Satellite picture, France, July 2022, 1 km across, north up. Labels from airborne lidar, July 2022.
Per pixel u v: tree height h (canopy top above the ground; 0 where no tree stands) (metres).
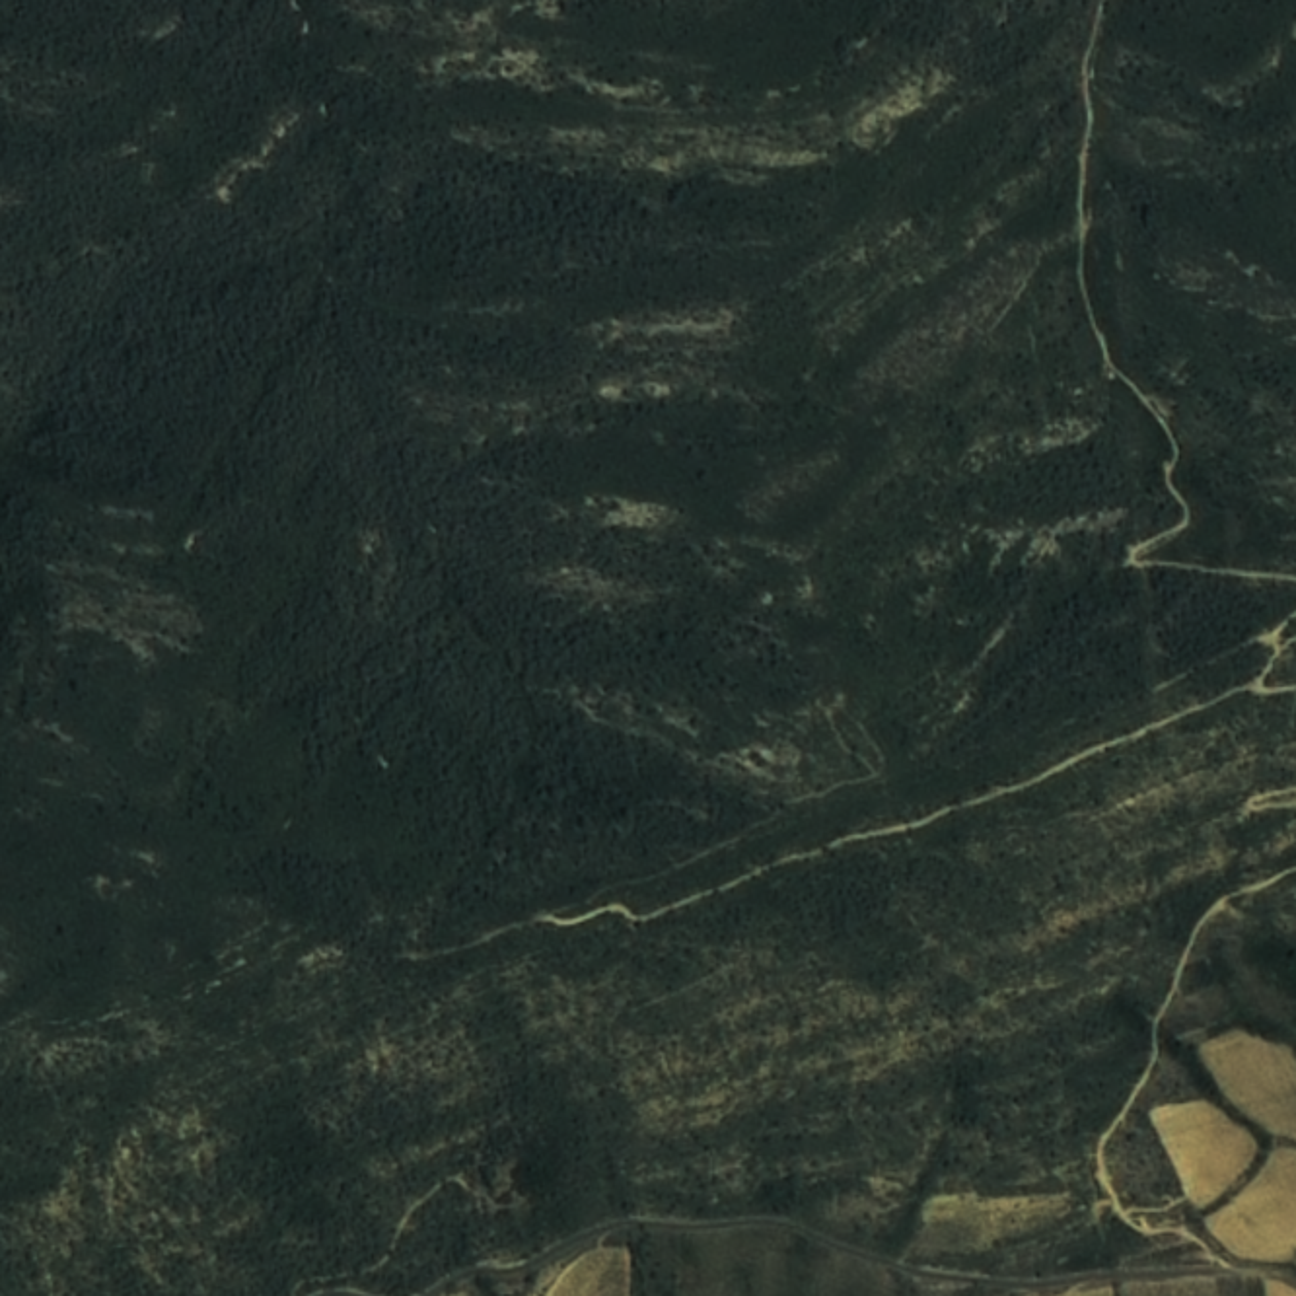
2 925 0
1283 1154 0
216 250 10
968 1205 0
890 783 0
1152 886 0
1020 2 10
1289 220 0
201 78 6
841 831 7
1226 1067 0
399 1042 7
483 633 9
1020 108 7
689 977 0
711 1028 0
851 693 0
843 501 0
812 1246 0
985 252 0
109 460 8
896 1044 0
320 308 13
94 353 10
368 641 8
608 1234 0
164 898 0
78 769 0
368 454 8
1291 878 0
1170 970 0
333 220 12
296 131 7
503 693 9
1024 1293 0
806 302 7
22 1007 0
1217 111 6
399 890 8
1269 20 0
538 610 10
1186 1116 0
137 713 0
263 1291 8
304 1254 8
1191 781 0
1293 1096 0
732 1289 0
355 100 11
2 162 9
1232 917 0
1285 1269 0
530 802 9
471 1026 8
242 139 7
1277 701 7
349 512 6
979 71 7
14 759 0
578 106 0
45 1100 7
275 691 8
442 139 7
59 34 7
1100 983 0
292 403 12
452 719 6
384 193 6
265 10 12
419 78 7
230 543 7
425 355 8
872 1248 0
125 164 6
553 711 7
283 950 0
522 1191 11
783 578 0
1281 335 0
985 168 7
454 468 10
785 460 0
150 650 0
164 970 0
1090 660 6
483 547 6
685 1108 0
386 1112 8
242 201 7
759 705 0
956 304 0
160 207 9
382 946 7
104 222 6
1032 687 9
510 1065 8
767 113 0
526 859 7
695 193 9
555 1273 0
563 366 9
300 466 8
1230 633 8
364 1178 7
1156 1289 0
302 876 10
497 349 9
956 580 7
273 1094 8
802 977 0
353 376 9
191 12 11
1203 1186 0
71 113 8
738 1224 0
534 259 9
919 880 7
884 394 0
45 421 6
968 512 8
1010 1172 0
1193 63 0
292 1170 7
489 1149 8
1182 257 0
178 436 10
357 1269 8
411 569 7
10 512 9
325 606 8
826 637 0
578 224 12
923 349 0
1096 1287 0
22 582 9
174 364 10
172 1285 9
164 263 10
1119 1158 0
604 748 7
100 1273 7
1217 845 0
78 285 8
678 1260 0
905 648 0
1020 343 0
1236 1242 0
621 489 0
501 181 12
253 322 10
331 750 9
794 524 0
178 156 6
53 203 7
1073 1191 0
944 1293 0
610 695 6
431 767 7
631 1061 0
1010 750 0
